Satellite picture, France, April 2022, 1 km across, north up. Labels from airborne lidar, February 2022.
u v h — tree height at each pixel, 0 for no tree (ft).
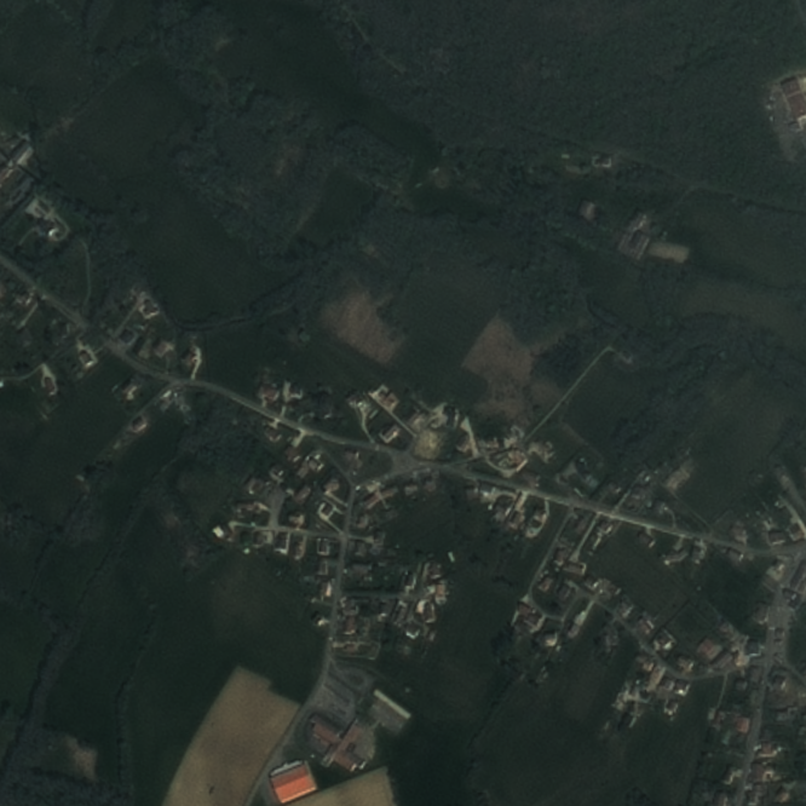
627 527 0
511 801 0
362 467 0
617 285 0
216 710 0
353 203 0
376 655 0
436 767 0
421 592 0
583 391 0
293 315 0
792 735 0
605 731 0
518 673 54
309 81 0
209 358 0
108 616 0
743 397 0
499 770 0
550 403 0
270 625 0
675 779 0
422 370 0
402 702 0
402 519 0
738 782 0
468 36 67
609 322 67
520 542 37
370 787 0
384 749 0
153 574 0
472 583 0
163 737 0
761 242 0
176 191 0
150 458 0
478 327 0
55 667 58
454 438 0
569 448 0
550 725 0
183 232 0
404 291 34
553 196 71
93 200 0
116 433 0
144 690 0
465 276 0
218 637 0
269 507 0
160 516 0
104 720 0
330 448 0
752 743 0
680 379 38
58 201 60
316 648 0
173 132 0
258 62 0
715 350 50
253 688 0
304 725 0
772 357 76
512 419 0
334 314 0
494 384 0
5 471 0
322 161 43
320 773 0
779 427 0
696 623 0
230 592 0
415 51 66
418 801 0
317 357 0
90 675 0
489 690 0
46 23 0
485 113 71
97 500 19
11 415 0
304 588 0
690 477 0
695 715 0
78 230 0
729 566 0
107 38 0
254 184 72
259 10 0
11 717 61
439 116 70
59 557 0
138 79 0
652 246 0
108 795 80
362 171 72
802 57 86
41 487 0
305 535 0
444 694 0
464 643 0
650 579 0
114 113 0
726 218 0
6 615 0
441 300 0
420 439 0
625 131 64
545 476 0
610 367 0
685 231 0
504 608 0
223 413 19
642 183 62
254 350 0
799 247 55
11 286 28
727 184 52
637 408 0
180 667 0
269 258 55
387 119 0
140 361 0
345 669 0
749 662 0
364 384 0
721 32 64
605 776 0
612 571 0
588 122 62
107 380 0
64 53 0
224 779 0
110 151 0
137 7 0
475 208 0
